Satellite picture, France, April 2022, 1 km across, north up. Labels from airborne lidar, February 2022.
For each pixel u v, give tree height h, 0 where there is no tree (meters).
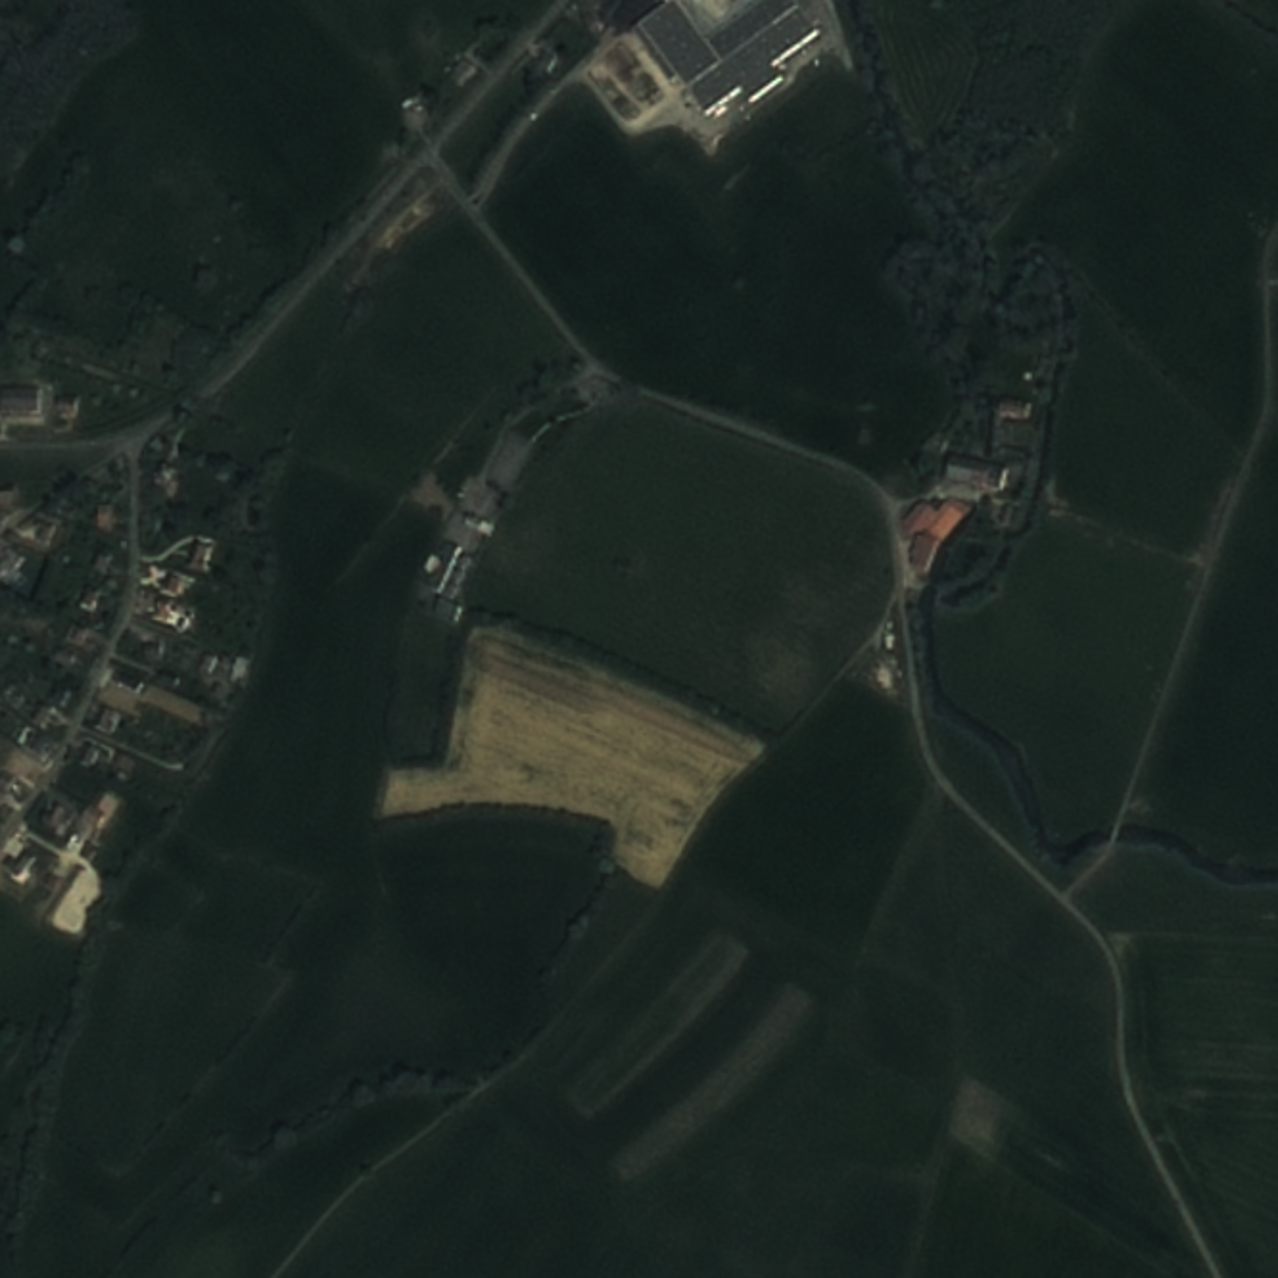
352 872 0
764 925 0
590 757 0
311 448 0
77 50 21
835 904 0
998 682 0
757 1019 0
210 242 0
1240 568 0
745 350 0
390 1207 0
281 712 0
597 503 0
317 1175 0
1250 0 0
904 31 0
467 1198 0
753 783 0
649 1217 0
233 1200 0
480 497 0
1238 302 0
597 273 0
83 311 0
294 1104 0
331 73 0
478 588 0
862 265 0
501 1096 0
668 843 0
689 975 0
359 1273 0
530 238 0
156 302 8
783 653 0
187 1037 0
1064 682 0
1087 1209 0
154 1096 0
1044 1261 0
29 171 0
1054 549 0
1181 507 0
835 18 0
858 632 0
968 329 0
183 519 15
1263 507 0
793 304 0
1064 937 0
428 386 0
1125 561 0
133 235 0
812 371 0
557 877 0
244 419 0
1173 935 0
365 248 0
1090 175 0
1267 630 0
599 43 0
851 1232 0
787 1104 0
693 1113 0
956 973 0
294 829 0
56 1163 0
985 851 0
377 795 0
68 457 0
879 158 0
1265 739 0
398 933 0
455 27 0
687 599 0
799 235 0
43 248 0
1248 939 0
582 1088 0
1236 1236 0
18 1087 0
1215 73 0
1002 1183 0
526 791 0
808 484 0
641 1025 0
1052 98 0
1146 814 0
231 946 0
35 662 0
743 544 0
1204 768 0
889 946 0
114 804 0
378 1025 0
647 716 0
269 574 21
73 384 0
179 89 0
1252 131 0
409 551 0
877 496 0
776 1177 0
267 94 0
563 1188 0
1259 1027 0
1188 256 0
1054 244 0
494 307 0
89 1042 0
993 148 7
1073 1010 0
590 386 0
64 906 0
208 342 8
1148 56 0
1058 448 0
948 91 0
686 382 0
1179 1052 0
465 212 0
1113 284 0
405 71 0
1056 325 0
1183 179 0
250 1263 0
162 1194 0
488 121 0
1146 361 0
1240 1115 0
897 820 0
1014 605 0
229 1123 0
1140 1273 0
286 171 0
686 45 0
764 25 0
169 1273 0
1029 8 0
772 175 0
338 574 0
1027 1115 0
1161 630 0
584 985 0
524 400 10
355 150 0
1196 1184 0
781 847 0
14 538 9
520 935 0
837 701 0
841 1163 0
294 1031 0
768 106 0
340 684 0
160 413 0
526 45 0
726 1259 0
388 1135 0
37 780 0
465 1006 0
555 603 0
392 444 0
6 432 0
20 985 0
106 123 0
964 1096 0
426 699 0
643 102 0
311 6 0
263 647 0
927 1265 0
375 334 0
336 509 0
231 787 0
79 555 0
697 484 0
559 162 0
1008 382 0
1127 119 0
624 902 0
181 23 0
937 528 0
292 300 0
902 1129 0
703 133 0
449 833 0
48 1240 0
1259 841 0
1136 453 0
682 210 0
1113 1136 0
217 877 0
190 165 0
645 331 0
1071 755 0
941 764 0
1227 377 0
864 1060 0
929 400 0
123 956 0
